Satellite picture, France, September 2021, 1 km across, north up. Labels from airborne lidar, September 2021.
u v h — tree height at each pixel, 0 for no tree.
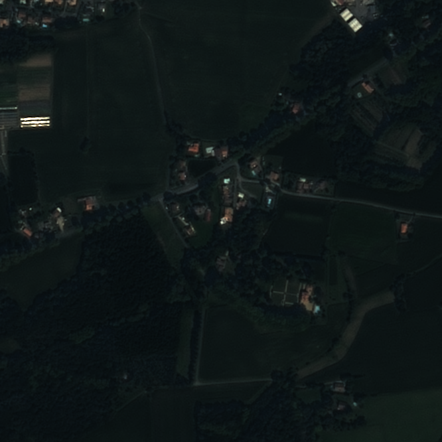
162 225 0
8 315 25
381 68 0
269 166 8
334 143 21
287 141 0
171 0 0
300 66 8
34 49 11
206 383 0
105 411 18
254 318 25
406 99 29
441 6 21
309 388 15
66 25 14
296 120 28
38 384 17
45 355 19
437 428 0
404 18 28
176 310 25
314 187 0
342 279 0
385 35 15
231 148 22
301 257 12
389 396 0
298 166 0
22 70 0
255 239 30
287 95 15
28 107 0
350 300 8
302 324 30
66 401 18
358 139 25
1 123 0
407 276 6
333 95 26
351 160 19
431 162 12
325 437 0
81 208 0
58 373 23
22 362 26
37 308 18
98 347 26
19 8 6
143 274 26
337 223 0
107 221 25
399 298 15
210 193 22
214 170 0
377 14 0
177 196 9
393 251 0
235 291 32
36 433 20
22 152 13
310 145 0
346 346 0
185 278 21
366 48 22
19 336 22
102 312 24
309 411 22
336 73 23
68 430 18
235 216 15
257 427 19
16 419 25
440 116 24
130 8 11
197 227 0
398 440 0
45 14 9
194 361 18
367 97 0
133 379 12
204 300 26
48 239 28
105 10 0
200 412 21
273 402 19
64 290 19
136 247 25
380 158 6
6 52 23
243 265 21
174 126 19
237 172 0
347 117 17
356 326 0
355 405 0
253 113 0
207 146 0
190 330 0
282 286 0
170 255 0
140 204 20
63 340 25
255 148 29
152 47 0
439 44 31
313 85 9
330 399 21
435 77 15
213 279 31
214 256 9
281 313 19
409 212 0
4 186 10
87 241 17
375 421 0
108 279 25
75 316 23
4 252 28
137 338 27
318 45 21
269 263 29
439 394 0
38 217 11
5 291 9
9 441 16
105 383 30
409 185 29
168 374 30
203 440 20
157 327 27
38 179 10
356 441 0
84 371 23
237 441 27
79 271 20
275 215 10
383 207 0
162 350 23
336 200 0
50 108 0
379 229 0
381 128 15
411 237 13
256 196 0
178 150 11
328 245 0
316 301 12
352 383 16
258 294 31
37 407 16
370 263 0
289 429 23
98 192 0
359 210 0
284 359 0
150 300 15
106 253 29
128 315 29
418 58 28
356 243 0
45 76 0
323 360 0
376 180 32
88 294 24
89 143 14
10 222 9
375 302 0
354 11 0
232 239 24
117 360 20
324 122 22
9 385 22
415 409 0
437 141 9
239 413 26
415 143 0
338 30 8
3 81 0
